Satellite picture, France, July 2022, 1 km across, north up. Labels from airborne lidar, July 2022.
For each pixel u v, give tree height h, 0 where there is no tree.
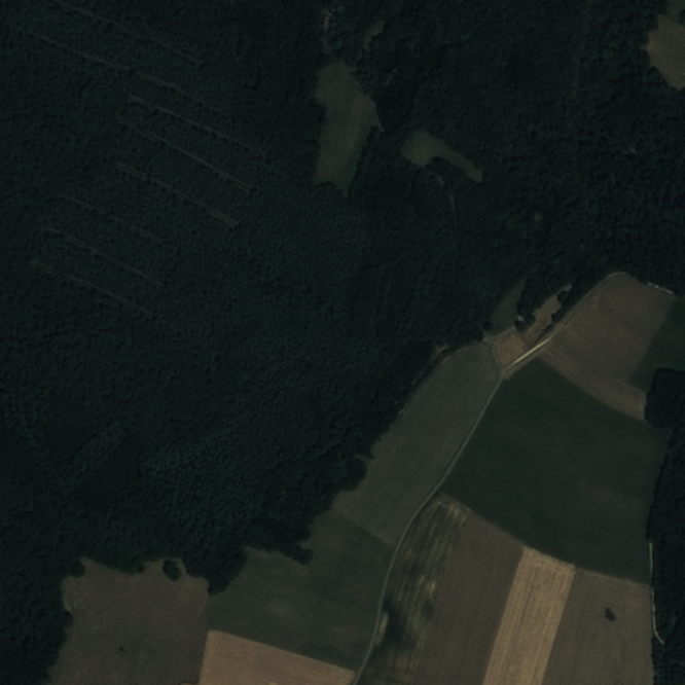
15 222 19
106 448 23
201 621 0
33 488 13
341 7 19
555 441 0
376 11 14
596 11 20
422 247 12
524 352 0
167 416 16
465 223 16
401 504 0
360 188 14
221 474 32
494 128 23
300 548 13
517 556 0
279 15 21
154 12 21
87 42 15
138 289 13
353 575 0
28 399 27
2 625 23
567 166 19
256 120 21
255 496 29
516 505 0
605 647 0
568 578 0
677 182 27
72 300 17
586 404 0
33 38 18
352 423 14
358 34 18
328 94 0
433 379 0
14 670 33
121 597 0
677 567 21
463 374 0
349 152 0
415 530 0
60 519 24
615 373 0
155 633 0
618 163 27
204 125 14
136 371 14
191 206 17
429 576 0
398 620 0
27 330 18
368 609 0
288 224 17
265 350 18
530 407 0
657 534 22
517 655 0
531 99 23
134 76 18
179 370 16
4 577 19
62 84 16
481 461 0
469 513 0
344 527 0
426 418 0
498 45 22
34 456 25
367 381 20
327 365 16
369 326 19
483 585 0
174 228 18
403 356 20
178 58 16
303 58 18
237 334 16
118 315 14
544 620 0
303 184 20
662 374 18
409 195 11
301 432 21
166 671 0
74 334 14
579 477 0
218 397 17
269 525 17
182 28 19
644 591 0
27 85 17
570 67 17
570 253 17
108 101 16
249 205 11
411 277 12
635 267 22
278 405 16
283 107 24
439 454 0
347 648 0
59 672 0
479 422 0
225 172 16
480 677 0
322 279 16
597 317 0
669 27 0
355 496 0
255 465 20
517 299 0
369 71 20
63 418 10
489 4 18
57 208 17
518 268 19
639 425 0
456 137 19
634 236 17
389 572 0
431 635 0
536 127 19
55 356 17
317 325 17
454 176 17
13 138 17
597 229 24
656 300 0
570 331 0
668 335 0
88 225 12
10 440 18
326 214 16
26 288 18
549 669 0
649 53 15
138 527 15
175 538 14
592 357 0
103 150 15
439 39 16
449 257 21
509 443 0
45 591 24
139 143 16
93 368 19
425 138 0
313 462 21
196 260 17
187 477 30
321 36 17
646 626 0
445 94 18
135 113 15
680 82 0
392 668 0
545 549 0
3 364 18
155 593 0
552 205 21
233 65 15
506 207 17
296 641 0
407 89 11
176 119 18
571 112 15
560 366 0
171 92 15
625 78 21
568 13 19
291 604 0
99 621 0
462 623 0
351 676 0
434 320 20
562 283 14
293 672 0
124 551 19
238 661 0
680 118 24
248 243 18
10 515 22
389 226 11
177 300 17
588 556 0
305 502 18
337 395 22
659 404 20
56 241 17
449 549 0
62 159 14
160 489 30
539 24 19
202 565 19
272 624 0
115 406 16
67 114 16
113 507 12
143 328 15
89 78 11
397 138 21
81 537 27
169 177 14
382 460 0
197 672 0
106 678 0
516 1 23
